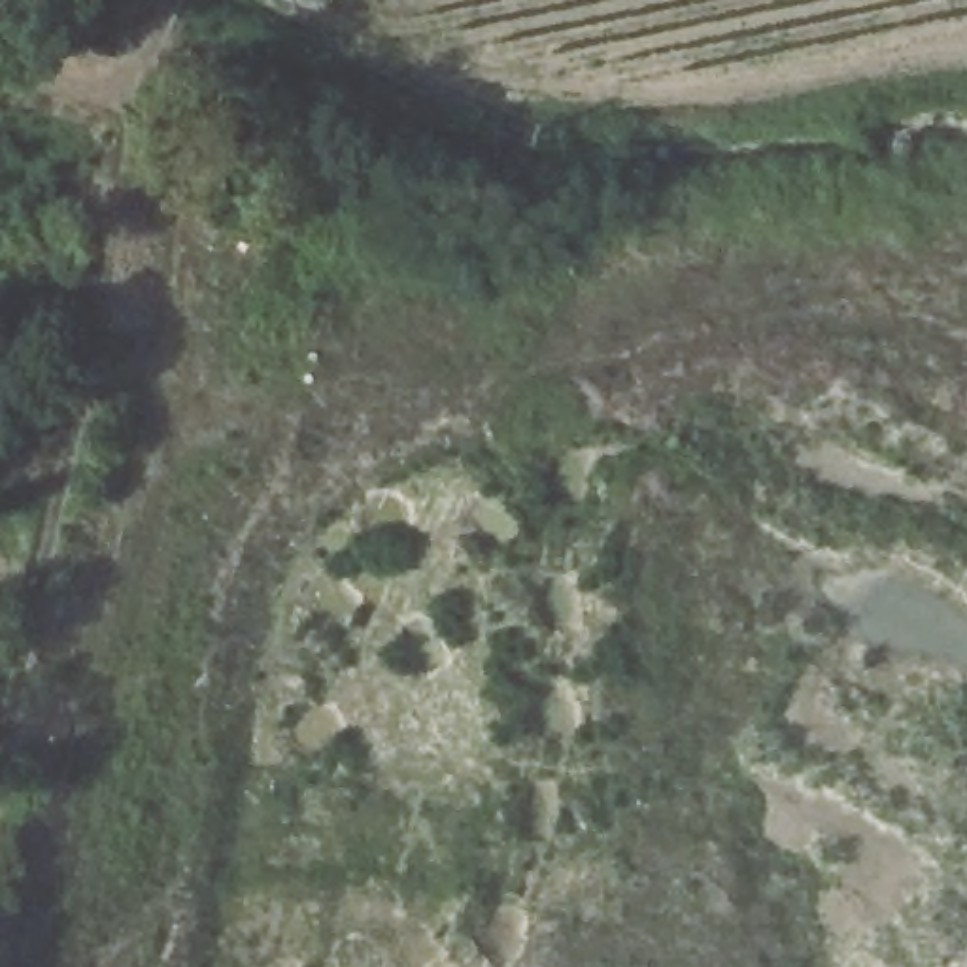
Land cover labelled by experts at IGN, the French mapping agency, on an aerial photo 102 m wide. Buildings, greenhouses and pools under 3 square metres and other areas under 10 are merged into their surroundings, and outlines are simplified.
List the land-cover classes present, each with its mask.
<instances>
[{"label":"herbaceous vegetation","instance_id":"1","mask_svg":"<svg viewBox=\"0 0 967 967\"><path fill-rule=\"evenodd\" d=\"M272 49V57H298L306 68L344 76L351 87L385 102L404 125H438L461 132L465 140H472L461 159L476 162L491 185L514 189L540 204V174H589L597 170L601 147L582 136L570 147H529V128L536 121L525 102H510L499 83H487L468 72L457 83L434 79L423 60L408 57L404 42L378 57H348L336 42V30H329L317 15H280L276 26L261 38ZM98 144L102 166L94 170V181H83L79 174L57 181V196H64L72 212L83 219L87 264L83 283L76 287V314L64 321L60 351L72 355L76 366L91 378L87 397L94 404L110 400L117 412V465L102 480L110 506L98 514V521L83 514L76 525H68L64 551L57 559L26 563V570L19 574L23 627L30 650L38 653V665L26 669V676L11 680L0 672V797L8 789L49 793L45 805L19 827V907L8 914L0 910V967H491L484 956H476L468 937H461L457 918L468 899H476L480 910L491 918L499 914L502 903H517L529 910L525 952L540 967H835L827 956L820 895L842 888V880L820 876L808 857L782 850L767 839V801L755 782L763 763H774L786 774H805L812 786L846 789L854 805L873 808L880 820L903 827L907 835L952 831V846L941 857V895L933 907V925L948 937V944L967 952V684H963L937 680L925 699L873 691L857 680H846V608L823 597L827 567L759 533V521L767 517L797 536L816 540L820 548L907 544L933 551L937 570L944 574H959L967 567V499L944 495L937 502H922L831 484L816 468L797 465L801 450L820 446L865 450L914 480H944L952 465L929 457L910 438H903L899 446L884 442L880 423L857 427L846 416H839L820 419L816 427L774 423L771 404L778 397L789 408H805L816 393L831 389V382H846L861 397L884 400L899 423L937 431L952 453L967 450V234H937L933 242L907 249L899 257L888 246L737 253L710 242L695 223L676 227L672 238L635 234H597L585 246V257H559L555 268L529 272L517 280L495 276L499 298L491 302L480 295L465 314L423 295H393L389 302L370 306L363 298L359 280H348L336 291L321 287L314 295L310 325L295 321L291 329H264V317H249L242 306V283L249 280V272H261L264 253L249 249V242H242L234 230L215 227L204 208L178 215L159 212L151 200L155 178L144 170L140 155L144 132L128 117L121 121L117 110L94 106L79 125ZM601 442H619L623 450L593 465L604 476L608 495L574 499L563 484V461L574 450ZM385 521H408L412 529L427 533V555L416 570L393 578H332L325 570L329 555L340 551L359 529L366 533ZM563 570H574L585 593H597L608 604H616V619L593 642L589 657L574 650V631L559 619L555 631L540 627L529 616V604L540 582L563 585ZM446 589H472L476 638L465 646H450L427 612L434 597ZM517 627L548 657L574 665V680L601 687V721H582L578 729L563 725V733L548 725L540 737L495 744V706L480 699L491 635ZM404 631L427 635L431 669L419 676H400L382 665V650ZM808 665L835 684L839 710H846L854 725L865 729L857 748L831 752L823 744H808L805 725L786 718ZM321 703L340 733L321 748H306L298 737V721ZM559 786L555 827L570 835V846H555L540 831L536 839L521 842L514 820L506 816L510 786ZM710 166V144L687 140L672 128L669 136H631L623 155L619 193L661 196L669 189L684 181L691 170ZM76 423L72 416H57L49 427H30L19 450L0 446V521L11 510H30L34 502H49L64 491Z\"/></svg>","mask_w":967,"mask_h":967},{"label":"brushwood","instance_id":"2","mask_svg":"<svg viewBox=\"0 0 967 967\"><path fill-rule=\"evenodd\" d=\"M174 49L162 53L159 68L144 76L132 102L117 110L121 121L128 117L144 132L140 155L144 170L155 178L151 200L159 212L178 215L204 208L215 227L234 230L242 242H249V249L264 253L261 272H249V280L242 283V306L249 317H264V329H291L295 321L310 325L314 295L321 287L336 291L348 280H359L363 298L370 306L389 302L393 295H423L465 314L480 295L465 268H457L453 276H423L404 253H370V223L363 215L336 208L332 215H317L310 227L283 223L291 204L272 189V178L261 166L242 159L249 144H276L314 106H325L351 125L355 136L370 140L374 155L397 159L400 151L427 147L442 159H461L472 140H465L461 132L438 125H404L385 102L351 87L344 76L306 68L298 57H272V49L261 38L276 26L280 15H272L264 0H181L174 8ZM536 121L529 128V147H570L582 136L601 147L623 155L631 136H669L672 128L687 140L710 144V166L691 170L684 181L669 189V212L635 234L672 238L676 227L695 223L710 242L737 253L888 246L899 257L907 249L933 242L937 234H967V68H933L876 79L861 76L759 102L718 106H631L619 98L525 102ZM57 79H0V261L15 276H49L53 283L76 287L83 283L87 264L83 219L72 212L64 196H57V181L79 174L83 181H94V170L102 166L98 144L79 125L53 117ZM117 412L110 400L94 404L76 423L64 491L49 502H34L30 510H11L0 521V672L11 680L26 676V669L38 665V653L30 650L23 627L19 574L26 570V563L57 559L64 551L68 525H76L83 514L98 521V514L110 506L102 480L117 465ZM427 555V533L412 529L408 521H385L366 533L359 529L340 551L329 555L325 570L332 578H393L416 570ZM427 612L450 646H465L476 638L472 589H446L434 597ZM555 680H574V665L548 657L517 627L491 635L480 699L495 706V744L540 737L548 725V699L555 695ZM382 665L400 676H419L431 669L427 635L404 631L382 650ZM49 793L8 789L0 797V910L8 914L19 907V827L45 805Z\"/></svg>","mask_w":967,"mask_h":967},{"label":"pervious surface","instance_id":"3","mask_svg":"<svg viewBox=\"0 0 967 967\"><path fill-rule=\"evenodd\" d=\"M140 26L132 34H121L106 53L68 57L57 79L53 117L79 125L94 106L117 110L132 102L144 76L159 68L162 53L174 49V8L181 0H136ZM839 416H846L857 427L880 423L884 442L899 446L903 438H910L929 457L952 465L944 480H914L865 450L820 446L801 450L797 465L816 468L831 484L922 502H937L944 495L967 499V450L952 453L937 431L899 423L884 400L861 397L846 382H831V389L816 393L805 408H789L778 397L771 404L774 423L816 427L820 419ZM759 533L827 567L823 597L846 608L857 593L903 574L952 593L967 608V567L959 574H944L937 570L933 551L907 544L820 548L816 540L797 536L767 517L759 521ZM570 608L559 619L574 631V650L589 657L593 642L616 619V604H608L597 593H585L574 570H563V585ZM846 680H857L873 691L925 699L937 680L963 684L959 669H937L925 661H895L869 669L865 646L846 642ZM786 718L805 725L808 744H823L831 752L857 748L865 729L854 725L846 710H839L835 684L808 665ZM582 721H601V687L574 680H555V695L548 699V725L563 733V725L578 729ZM755 782L767 801V839L782 850L808 857L820 876L842 880V888L820 895L827 956L835 967H967V952L948 944V937L933 925V907L941 895V857L952 846V831L907 835L903 827L880 820L873 808L854 805L846 789L812 786L805 774H786L774 763H763ZM540 831L555 846H570V835L555 827L559 786H536ZM514 925L502 941L506 967H540L525 952L529 910L517 903H502L499 914Z\"/></svg>","mask_w":967,"mask_h":967},{"label":"deciduous trees","instance_id":"4","mask_svg":"<svg viewBox=\"0 0 967 967\"><path fill-rule=\"evenodd\" d=\"M140 26L136 0H0V79H57L68 57L106 53L121 34H132ZM242 159L261 166L272 178V189L291 204L283 223L310 227L317 215H332L336 208L363 215L370 223V253H404L423 276H453L457 268H465L480 295L491 302L499 298L495 276L517 280L529 272L555 268L559 257H585V246L597 234H635L669 212V189L661 196L619 193L623 155L601 147L597 170L589 174H540V204L514 189L491 185L476 162L461 159H442L427 147L400 151L397 159L374 155L370 140L355 136L351 125L325 106H314L276 144H249ZM76 314V287L53 283L49 276H15L0 261V446L19 450L30 427H49L57 416H72L76 423L94 404L87 397L91 378L76 366L72 355L60 351L64 321Z\"/></svg>","mask_w":967,"mask_h":967},{"label":"agricultural land","instance_id":"5","mask_svg":"<svg viewBox=\"0 0 967 967\"><path fill-rule=\"evenodd\" d=\"M272 15H317L329 30H336V42L348 57H378L404 42L408 57L423 60L434 79L457 83L468 72L487 83H499L510 102H525L619 98L631 106H718L759 102L861 76L876 79L933 68H967V0H264Z\"/></svg>","mask_w":967,"mask_h":967},{"label":"water","instance_id":"6","mask_svg":"<svg viewBox=\"0 0 967 967\"><path fill-rule=\"evenodd\" d=\"M623 450L619 442H601L574 450L563 461V484L574 499L608 495L604 476L593 465ZM846 642L865 646L869 669L895 661H925L937 669H959L963 684H967V608L952 593L903 574L857 593L846 608ZM570 608L563 585L540 582L529 604V616L540 627L555 631L559 619ZM340 733L321 703L298 721V737L306 748H321ZM506 816L514 820L521 842L536 839L540 831L536 786H510ZM461 937H468L476 956H484L491 967H506L502 941L514 925L499 914L491 918L480 910L476 899H468L457 918Z\"/></svg>","mask_w":967,"mask_h":967}]
</instances>
